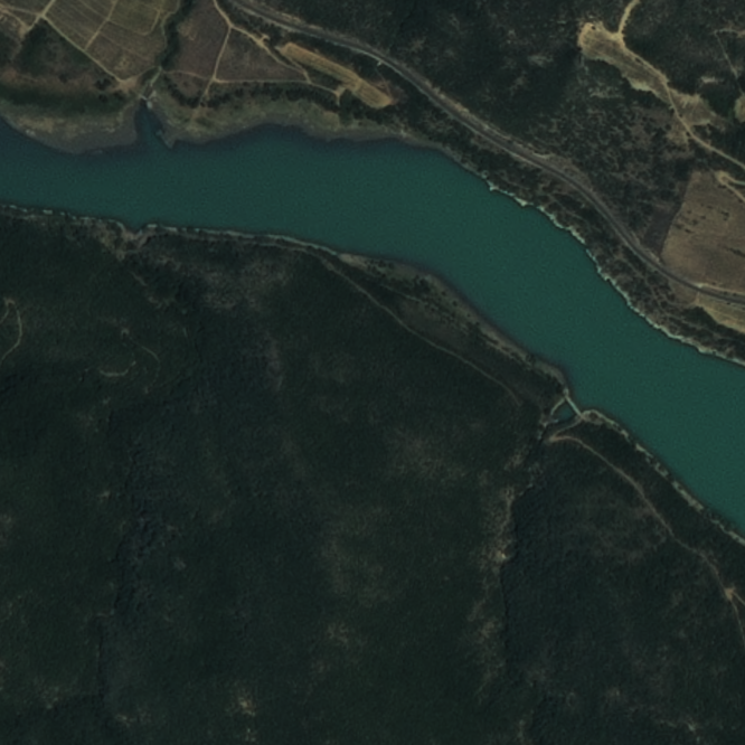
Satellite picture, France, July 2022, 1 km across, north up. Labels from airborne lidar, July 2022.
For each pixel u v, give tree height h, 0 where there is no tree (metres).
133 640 6
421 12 8
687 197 0
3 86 0
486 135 0
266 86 6
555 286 0
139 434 8
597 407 0
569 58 6
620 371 0
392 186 0
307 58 0
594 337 0
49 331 7
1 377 7
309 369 5
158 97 0
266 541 6
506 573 7
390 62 0
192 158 0
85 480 8
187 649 6
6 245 7
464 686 7
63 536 7
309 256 8
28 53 0
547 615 5
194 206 0
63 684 6
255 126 0
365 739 6
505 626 6
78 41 0
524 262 0
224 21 0
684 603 7
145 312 6
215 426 7
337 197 0
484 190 0
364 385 7
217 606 8
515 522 5
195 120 0
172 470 7
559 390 12
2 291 7
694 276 0
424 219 0
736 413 0
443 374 6
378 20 6
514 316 0
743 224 0
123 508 12
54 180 0
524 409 7
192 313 7
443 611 6
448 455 6
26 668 6
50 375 7
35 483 7
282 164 0
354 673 6
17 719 9
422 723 7
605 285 0
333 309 6
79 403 15
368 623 6
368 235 0
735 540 8
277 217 0
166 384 6
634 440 9
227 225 0
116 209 0
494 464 8
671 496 7
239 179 0
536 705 9
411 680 7
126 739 6
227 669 7
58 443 8
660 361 0
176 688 6
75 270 6
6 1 0
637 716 7
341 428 6
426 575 6
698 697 7
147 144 0
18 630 8
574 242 0
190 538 7
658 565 8
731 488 0
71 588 7
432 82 6
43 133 0
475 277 0
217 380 6
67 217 12
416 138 0
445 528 7
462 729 7
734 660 8
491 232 0
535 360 10
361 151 0
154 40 0
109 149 0
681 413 0
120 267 12
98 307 6
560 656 6
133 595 9
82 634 8
